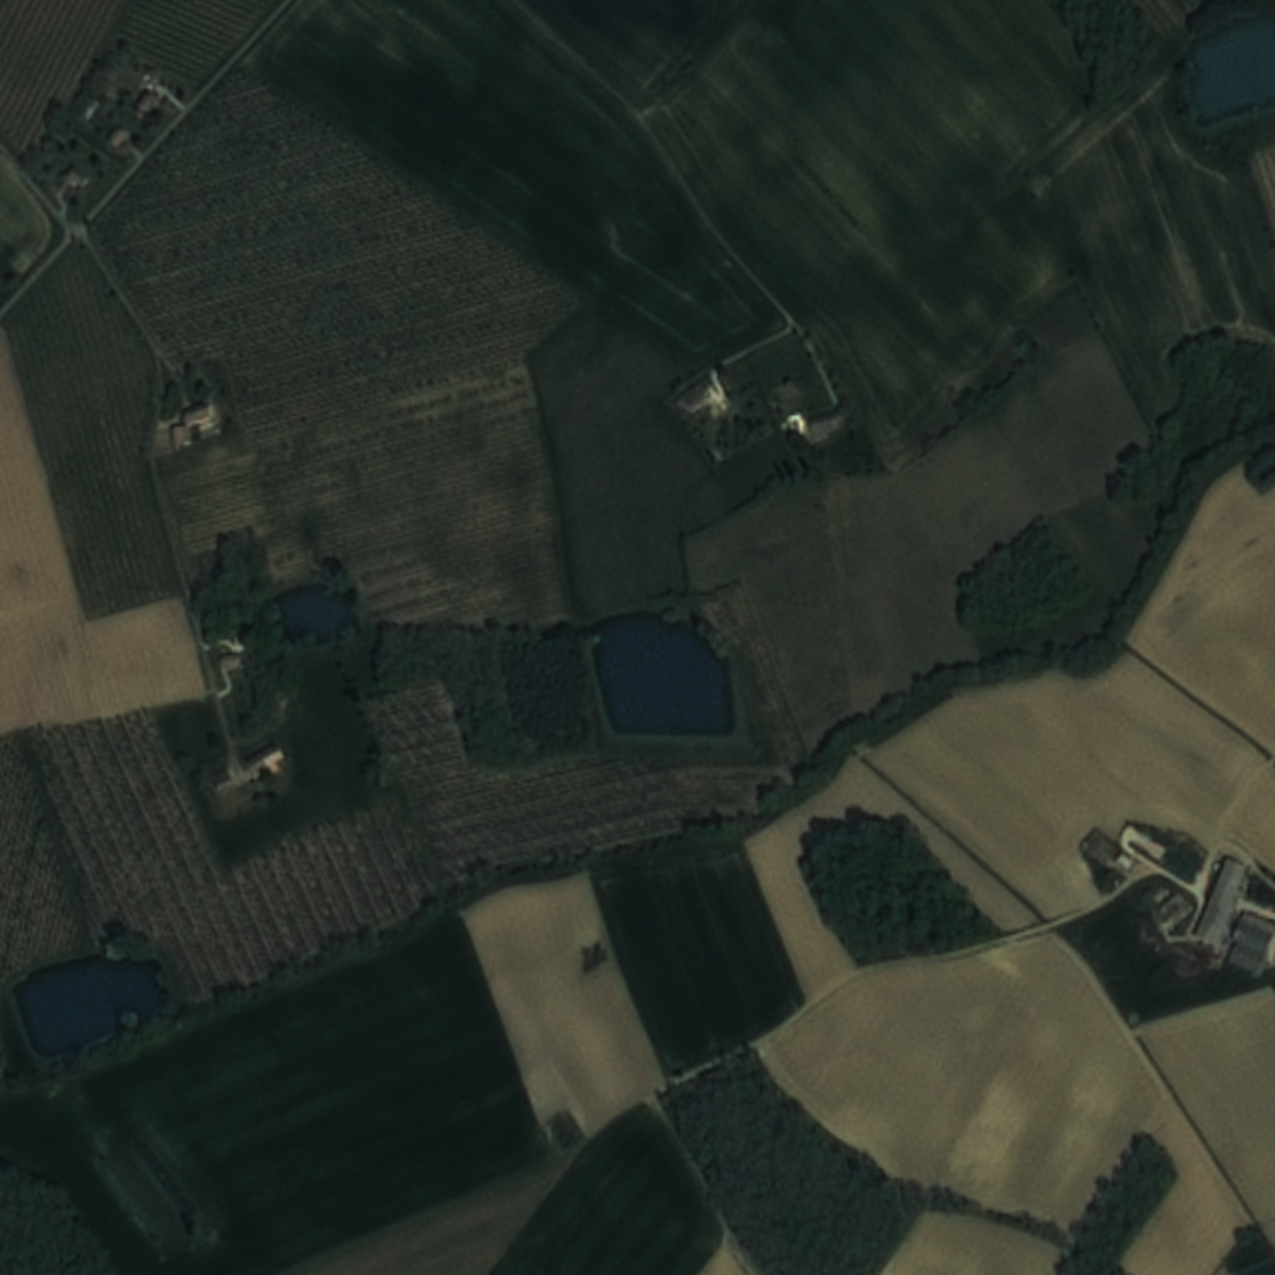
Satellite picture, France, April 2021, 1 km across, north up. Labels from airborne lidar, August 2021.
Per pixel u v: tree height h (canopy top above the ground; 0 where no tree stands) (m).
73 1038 0
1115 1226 16
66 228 0
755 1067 10
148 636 0
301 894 7
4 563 0
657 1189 0
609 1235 0
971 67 0
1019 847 0
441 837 7
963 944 15
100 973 0
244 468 0
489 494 0
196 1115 0
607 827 6
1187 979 0
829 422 0
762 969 0
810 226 0
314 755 0
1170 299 0
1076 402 0
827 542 0
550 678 19
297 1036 0
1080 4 19
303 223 7
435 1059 0
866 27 0
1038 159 0
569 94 0
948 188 0
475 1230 0
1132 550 0
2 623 0
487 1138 0
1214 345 15
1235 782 0
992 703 0
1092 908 0
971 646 0
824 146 0
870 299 0
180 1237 0
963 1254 0
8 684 0
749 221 0
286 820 0
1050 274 0
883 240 0
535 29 0
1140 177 0
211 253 6
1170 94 0
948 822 0
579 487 0
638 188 0
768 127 0
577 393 0
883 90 0
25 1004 0
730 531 0
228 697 0
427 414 0
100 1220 0
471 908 0
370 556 0
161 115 10
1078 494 0
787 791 13
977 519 0
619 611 0
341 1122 0
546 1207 0
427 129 0
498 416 0
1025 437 0
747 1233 16
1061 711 0
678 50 0
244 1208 0
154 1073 0
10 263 0
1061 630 0
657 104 0
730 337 0
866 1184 18
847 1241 15
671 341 0
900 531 0
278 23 0
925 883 18
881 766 0
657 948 0
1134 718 0
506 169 0
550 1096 0
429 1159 0
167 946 6
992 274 0
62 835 6
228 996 14
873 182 0
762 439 13
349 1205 0
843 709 0
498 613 0
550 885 0
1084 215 0
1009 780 0
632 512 0
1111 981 0
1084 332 0
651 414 0
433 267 6
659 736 0
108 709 0
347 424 0
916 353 0
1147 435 0
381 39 0
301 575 0
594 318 0
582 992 0
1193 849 0
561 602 0
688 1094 18
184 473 0
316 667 0
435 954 0
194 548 0
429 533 0
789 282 0
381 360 8
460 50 0
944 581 0
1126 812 0
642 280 0
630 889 0
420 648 19
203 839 6
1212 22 13
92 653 0
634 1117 0
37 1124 0
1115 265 0
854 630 0
